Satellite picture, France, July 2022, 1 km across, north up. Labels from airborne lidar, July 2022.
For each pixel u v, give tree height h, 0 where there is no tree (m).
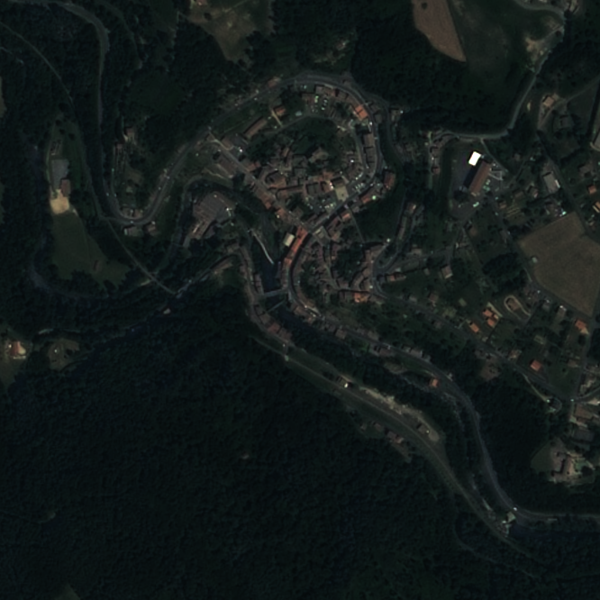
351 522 22
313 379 0
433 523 23
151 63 20
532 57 0
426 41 7
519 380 8
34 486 25
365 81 18
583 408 0
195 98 17
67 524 26
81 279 30
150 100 0
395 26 13
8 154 20
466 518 37
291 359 0
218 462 16
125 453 19
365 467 24
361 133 9
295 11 20
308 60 17
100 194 18
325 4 19
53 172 0
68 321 29
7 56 27
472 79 0
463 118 16
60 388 21
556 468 0
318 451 28
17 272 28
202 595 26
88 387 25
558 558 26
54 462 31
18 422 31
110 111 16
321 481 10
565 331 7
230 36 0
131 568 15
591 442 6
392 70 10
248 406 23
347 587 25
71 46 26
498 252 0
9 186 21
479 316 0
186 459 17
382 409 0
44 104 28
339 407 28
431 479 18
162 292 7
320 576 29
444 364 16
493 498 8
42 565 21
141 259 13
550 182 0
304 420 23
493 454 22
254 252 13
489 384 7
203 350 25
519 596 29
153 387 26
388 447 20
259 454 11
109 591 19
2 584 16
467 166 0
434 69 9
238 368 29
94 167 17
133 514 19
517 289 8
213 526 29
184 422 13
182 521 31
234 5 0
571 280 0
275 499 26
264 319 0
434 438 0
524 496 21
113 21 11
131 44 15
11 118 21
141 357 30
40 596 18
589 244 0
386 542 24
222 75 14
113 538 13
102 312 21
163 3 0
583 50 13
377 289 0
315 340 22
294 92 7
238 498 27
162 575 18
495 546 37
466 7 0
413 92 10
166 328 20
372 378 20
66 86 25
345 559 24
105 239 16
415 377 8
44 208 20
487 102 8
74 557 25
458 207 0
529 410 8
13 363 0
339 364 20
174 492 29
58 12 35
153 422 8
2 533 17
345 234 9
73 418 27
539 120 0
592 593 23
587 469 17
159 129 13
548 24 0
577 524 35
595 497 10
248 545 23
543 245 0
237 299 23
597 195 0
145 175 9
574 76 7
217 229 21
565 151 0
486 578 7
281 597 23
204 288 7
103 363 26
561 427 10
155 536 25
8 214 12
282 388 21
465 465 16
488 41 0
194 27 14
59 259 0
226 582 30
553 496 24
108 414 30
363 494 22
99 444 25
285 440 22
